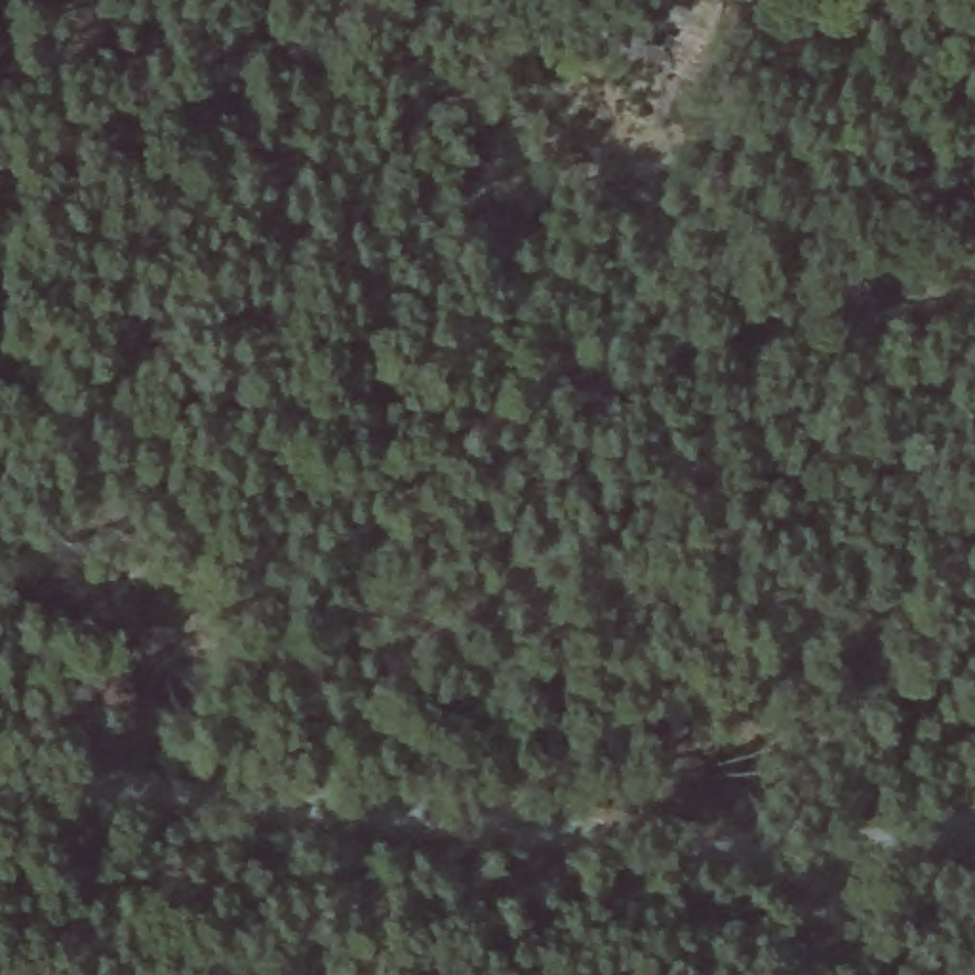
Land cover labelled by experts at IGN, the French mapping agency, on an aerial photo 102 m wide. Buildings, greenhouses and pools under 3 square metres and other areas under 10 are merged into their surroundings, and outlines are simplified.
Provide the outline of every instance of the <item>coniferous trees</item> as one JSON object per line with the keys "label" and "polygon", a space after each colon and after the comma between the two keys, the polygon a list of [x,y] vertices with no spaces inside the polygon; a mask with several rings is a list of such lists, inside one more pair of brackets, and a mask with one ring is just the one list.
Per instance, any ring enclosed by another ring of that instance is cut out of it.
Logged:
{"label": "coniferous trees", "polygon": [[975,975],[975,0],[0,0],[0,975]]}

